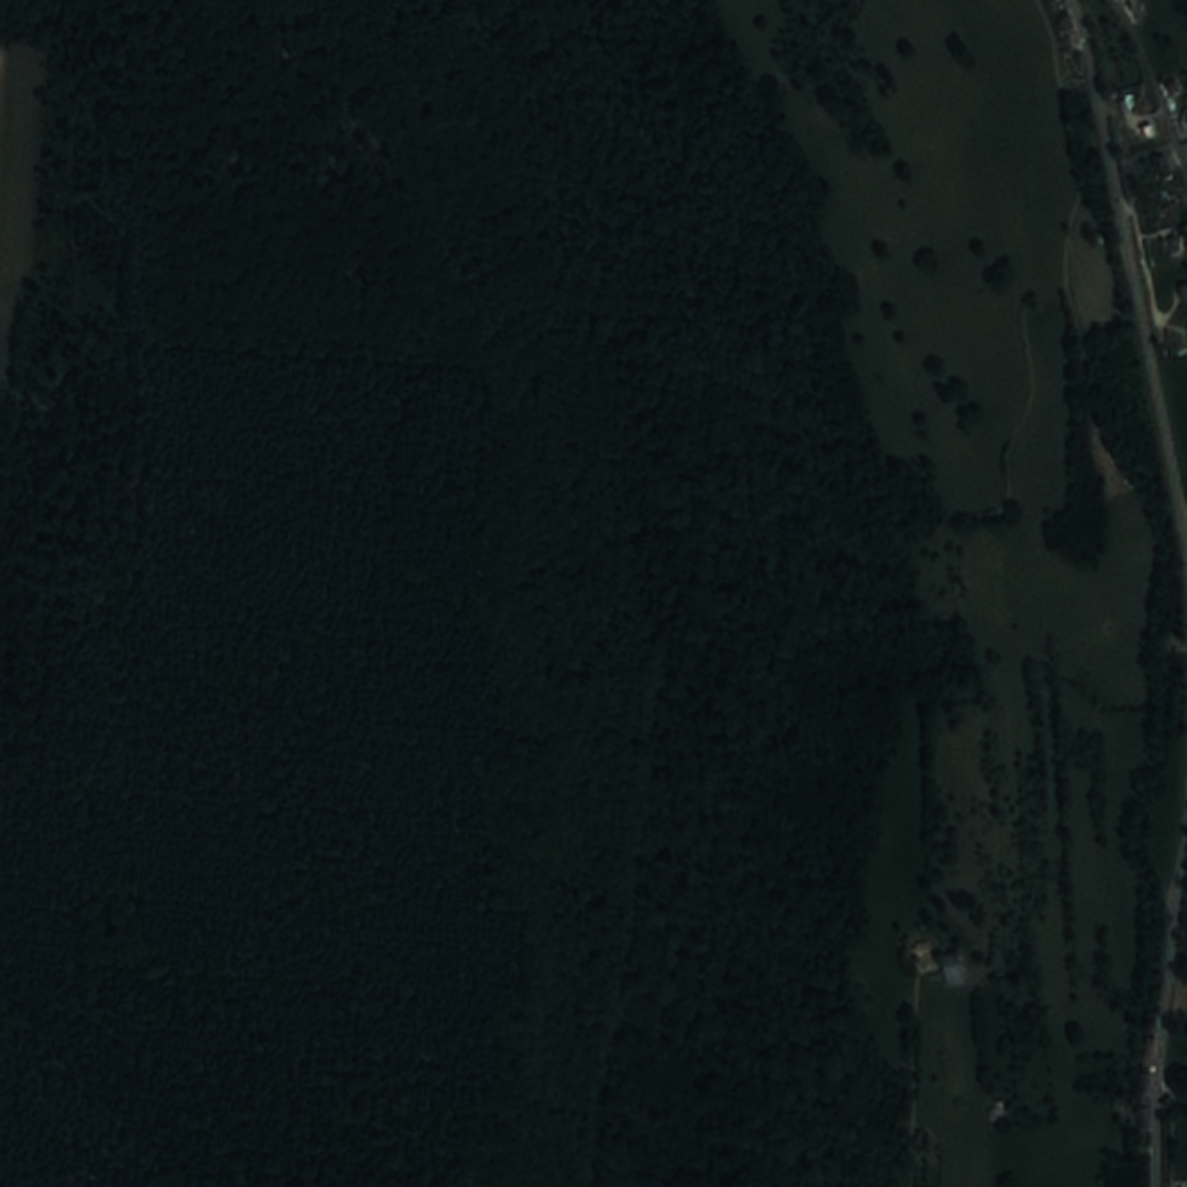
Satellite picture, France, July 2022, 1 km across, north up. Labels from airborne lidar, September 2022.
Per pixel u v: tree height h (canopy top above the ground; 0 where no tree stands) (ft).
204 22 73
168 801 67
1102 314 0
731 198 114
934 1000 0
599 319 101
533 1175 75
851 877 80
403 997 47
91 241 30
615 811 78
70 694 65
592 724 75
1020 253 0
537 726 66
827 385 88
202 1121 67
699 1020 114
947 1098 0
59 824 78
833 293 40
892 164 0
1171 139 0
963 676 73
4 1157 97
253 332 70
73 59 30
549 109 78
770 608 82
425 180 83
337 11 82
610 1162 81
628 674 64
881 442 55
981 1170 0
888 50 0
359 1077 71
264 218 91
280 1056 62
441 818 61
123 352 80
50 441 101
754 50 0
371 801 67
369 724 73
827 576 97
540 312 75
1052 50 0
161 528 75
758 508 110
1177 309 0
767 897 97
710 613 95
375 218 86
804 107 0
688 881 89
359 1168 40
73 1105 84
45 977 65
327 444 106
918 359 0
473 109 94
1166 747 75
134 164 81
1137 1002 65
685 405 88
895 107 0
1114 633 0
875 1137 85
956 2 0
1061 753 47
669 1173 87
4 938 69
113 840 75
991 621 0
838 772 77
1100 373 25
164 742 78
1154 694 37
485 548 70
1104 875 0
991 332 0
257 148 88
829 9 40
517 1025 46
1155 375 0
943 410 0
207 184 82
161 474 82
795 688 68
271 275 75
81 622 36
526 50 61
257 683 64
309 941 67
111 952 58
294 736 84
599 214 34
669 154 87
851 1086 87
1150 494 51
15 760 119
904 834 0
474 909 65
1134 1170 37
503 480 72
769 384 82
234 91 79
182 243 81
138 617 61
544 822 69
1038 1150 0
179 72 78
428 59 81
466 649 69
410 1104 45
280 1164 66
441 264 89
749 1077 73
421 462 95
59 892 74
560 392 87
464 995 66
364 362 97
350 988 55
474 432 99
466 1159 64
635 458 87
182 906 62
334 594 72
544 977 53
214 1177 67
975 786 0
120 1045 68
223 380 84
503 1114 70
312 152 84
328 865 69
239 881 62
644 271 100
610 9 85
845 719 79
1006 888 26
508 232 87
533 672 81
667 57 113
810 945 58
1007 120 0
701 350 104
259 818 65
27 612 83
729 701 96
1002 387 0
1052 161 0
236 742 79
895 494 79
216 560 83
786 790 74
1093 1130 0
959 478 0
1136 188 53
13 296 0
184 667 65
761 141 81
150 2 71
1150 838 50
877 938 0
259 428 87
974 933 0
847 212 0
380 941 67
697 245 92
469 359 66
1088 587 0
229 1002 53
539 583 108
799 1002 71
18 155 0
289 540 91
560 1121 77
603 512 95
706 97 65
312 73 82
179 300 84
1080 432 41
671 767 111
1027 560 0
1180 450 0
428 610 60
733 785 47
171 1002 58
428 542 54
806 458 98
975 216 0
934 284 0
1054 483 0
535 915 74
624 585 78
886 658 85
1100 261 0
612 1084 77
